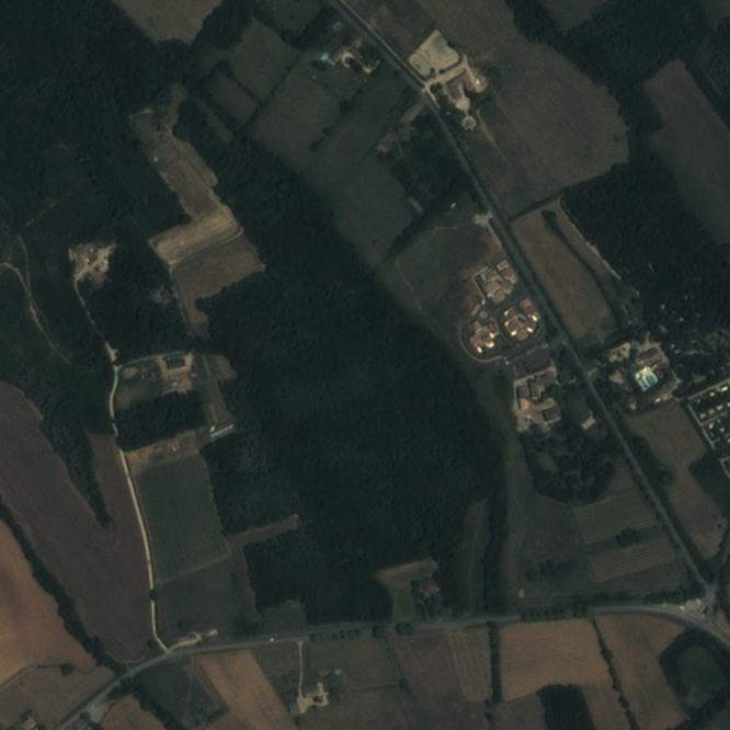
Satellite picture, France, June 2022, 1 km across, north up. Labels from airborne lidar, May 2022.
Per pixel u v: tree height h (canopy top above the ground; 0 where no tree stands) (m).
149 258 6
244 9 15
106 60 21
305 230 16
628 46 6
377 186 0
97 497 15
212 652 0
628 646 0
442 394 20
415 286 0
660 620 0
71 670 11
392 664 0
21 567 0
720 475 7
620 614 0
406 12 0
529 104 0
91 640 17
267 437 10
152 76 18
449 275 0
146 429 24
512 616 0
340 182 0
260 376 20
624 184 17
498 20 0
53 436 14
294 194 19
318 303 19
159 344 21
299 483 14
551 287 0
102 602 0
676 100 0
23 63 14
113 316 9
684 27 12
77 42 18
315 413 14
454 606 20
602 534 0
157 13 0
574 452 12
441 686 0
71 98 14
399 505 15
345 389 19
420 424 12
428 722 0
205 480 0
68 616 19
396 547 11
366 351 19
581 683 0
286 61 0
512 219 9
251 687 0
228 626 0
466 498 10
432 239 0
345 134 0
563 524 0
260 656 0
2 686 0
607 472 19
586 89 0
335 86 0
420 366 16
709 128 0
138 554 0
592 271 9
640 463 8
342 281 14
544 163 0
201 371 0
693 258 20
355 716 0
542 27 8
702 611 0
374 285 18
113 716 0
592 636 0
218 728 0
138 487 0
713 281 21
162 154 0
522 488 0
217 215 0
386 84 0
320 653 0
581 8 0
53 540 0
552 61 0
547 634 0
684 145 0
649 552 0
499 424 0
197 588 0
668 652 8
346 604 13
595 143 0
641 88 10
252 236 6
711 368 16
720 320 12
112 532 0
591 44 9
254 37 0
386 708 0
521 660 0
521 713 0
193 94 14
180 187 0
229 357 14
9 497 0
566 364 17
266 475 10
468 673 0
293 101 0
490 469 19
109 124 23
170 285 19
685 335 20
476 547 0
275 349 17
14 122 20
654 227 19
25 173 16
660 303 15
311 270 15
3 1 19
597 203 13
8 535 0
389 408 15
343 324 19
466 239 0
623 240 15
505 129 0
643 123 22
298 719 7
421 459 17
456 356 0
